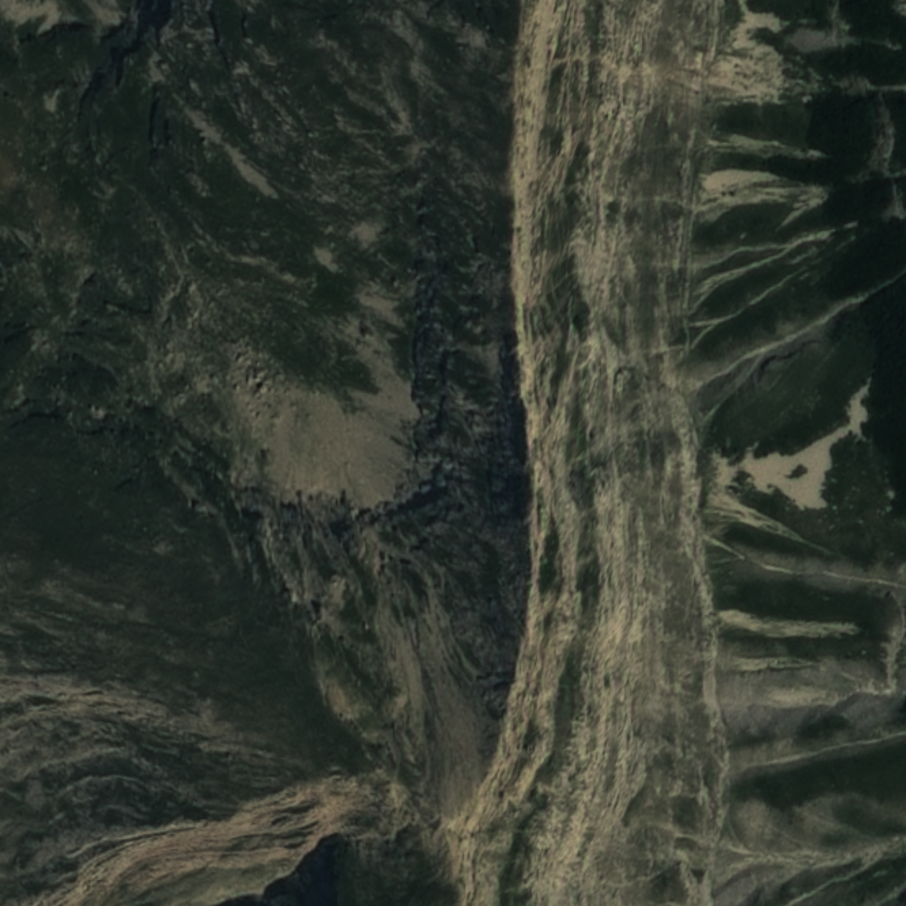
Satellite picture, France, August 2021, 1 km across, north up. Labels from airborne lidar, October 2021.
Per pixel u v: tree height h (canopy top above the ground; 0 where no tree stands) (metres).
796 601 0
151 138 0
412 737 0
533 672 0
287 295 0
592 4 0
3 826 0
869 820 0
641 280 0
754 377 0
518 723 0
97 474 0
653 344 0
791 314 0
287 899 0
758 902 0
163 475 0
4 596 0
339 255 0
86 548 0
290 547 0
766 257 0
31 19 0
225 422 0
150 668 0
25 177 0
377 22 0
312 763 0
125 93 0
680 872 0
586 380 0
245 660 0
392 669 0
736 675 0
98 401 0
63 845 0
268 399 0
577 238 0
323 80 0
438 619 0
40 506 0
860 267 8
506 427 0
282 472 0
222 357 0
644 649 0
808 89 0
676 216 0
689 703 0
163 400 0
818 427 0
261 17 0
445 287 0
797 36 0
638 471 0
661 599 0
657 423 0
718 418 0
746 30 0
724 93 0
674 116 0
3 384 0
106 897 0
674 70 0
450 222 0
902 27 9
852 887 0
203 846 0
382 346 0
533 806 0
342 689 0
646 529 0
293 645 0
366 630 0
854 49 6
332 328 0
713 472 0
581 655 0
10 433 0
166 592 0
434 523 0
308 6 0
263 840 0
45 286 0
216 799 0
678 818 0
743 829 0
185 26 0
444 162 0
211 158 0
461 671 0
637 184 0
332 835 0
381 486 0
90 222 0
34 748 0
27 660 0
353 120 0
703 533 0
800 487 0
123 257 0
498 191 0
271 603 0
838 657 0
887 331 7
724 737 0
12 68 0
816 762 0
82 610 0
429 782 0
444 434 0
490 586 0
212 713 0
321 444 0
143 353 0
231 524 0
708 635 0
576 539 0
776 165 8
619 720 0
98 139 0
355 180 0
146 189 0
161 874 0
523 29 0
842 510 0
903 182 7
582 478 0
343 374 0
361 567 0
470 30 0
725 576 0
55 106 0
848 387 0
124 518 0
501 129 0
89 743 0
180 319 0
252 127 0
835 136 13
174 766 0
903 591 0
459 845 0
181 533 0
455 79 0
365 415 0
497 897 0
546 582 0
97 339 0
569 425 0
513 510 0
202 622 0
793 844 0
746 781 0
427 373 0
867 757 0
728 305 0
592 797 0
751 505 0
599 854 0
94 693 0
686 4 0
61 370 0
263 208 0
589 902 0
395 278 0
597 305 0
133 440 0
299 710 0
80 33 0
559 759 0
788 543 0
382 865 0
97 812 0
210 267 0
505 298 0
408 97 0
